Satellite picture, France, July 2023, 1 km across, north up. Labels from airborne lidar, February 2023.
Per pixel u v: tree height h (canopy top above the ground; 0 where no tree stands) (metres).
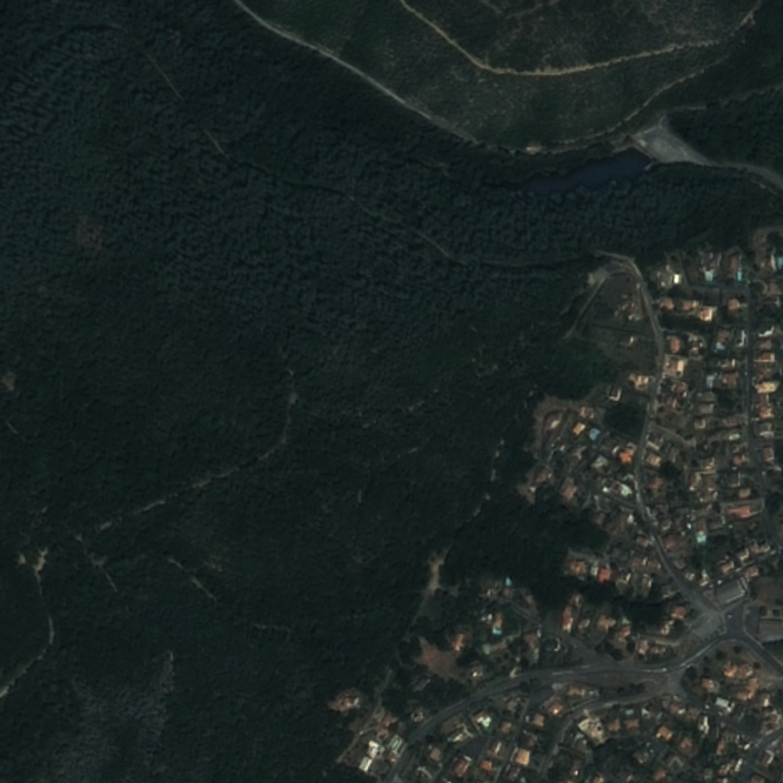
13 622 20
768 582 0
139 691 11
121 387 12
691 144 12
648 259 15
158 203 26
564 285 6
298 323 7
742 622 0
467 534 16
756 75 12
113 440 19
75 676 10
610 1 12
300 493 20
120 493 19
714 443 7
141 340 16
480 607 9
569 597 12
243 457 14
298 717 15
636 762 11
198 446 19
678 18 9
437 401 11
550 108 7
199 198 18
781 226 0
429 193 29
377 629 10
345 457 15
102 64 9
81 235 21
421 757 6
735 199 16
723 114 22
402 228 7
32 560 12
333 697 11
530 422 11
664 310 10
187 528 9
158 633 12
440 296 21
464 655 6
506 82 8
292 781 15
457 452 10
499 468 12
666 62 9
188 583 13
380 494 19
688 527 0
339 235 17
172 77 15
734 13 10
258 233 30
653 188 21
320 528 12
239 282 20
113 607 15
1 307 20
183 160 28
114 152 22
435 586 0
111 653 13
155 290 17
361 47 7
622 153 0
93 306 15
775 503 12
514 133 8
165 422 18
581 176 0
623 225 24
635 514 6
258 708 18
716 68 9
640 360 0
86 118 18
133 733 15
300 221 14
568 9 13
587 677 0
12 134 26
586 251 9
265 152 23
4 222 21
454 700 12
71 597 17
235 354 20
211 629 12
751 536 10
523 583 17
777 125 21
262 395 12
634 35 7
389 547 14
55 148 21
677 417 0
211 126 22
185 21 18
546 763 0
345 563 14
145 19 19
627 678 0
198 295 21
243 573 11
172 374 17
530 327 12
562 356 13
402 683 10
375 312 14
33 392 17
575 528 14
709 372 7
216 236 15
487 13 11
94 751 12
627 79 9
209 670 14
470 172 25
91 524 12
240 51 24
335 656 16
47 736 10
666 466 7
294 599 16
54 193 25
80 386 17
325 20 8
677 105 9
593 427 6
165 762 17
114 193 24
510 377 16
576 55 6
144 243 17
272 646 13
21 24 25
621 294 0
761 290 7
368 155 28
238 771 16
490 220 31
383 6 6
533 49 6
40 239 19
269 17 9
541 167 20
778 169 11
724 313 10
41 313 18
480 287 16
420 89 7
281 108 18
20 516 13
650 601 8
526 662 11
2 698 6
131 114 18
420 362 19
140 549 16
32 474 9
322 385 9
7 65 24
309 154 16
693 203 13
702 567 9
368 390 19
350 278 16
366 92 17
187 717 14
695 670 9
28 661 9
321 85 12
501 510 12
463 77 7
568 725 0
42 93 26
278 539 15
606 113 7
